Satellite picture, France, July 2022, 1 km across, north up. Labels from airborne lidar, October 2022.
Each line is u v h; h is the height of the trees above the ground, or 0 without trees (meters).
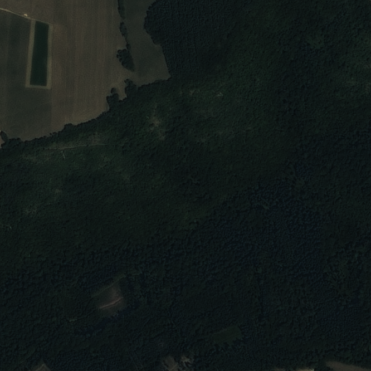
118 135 11
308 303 28
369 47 6
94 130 13
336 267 27
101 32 0
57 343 32
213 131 6
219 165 17
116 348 22
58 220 17
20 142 9
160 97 11
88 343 30
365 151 35
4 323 30
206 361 22
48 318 26
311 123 25
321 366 19
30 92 0
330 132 24
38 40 0
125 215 14
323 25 10
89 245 24
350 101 8
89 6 0
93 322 9
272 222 22
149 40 0
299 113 25
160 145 10
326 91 9
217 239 24
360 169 27
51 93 0
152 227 24
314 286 28
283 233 23
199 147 11
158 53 0
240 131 8
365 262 28
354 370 0
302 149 22
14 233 15
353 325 28
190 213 16
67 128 13
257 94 8
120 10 9
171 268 24
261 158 15
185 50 17
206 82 13
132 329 17
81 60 0
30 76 0
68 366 23
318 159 25
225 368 15
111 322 25
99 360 13
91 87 0
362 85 9
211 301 18
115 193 12
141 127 7
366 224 19
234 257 29
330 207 27
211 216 23
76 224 18
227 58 11
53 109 0
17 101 0
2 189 16
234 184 22
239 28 15
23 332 29
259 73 17
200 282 31
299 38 16
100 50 0
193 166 19
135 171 6
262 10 16
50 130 0
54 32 0
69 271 23
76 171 8
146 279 29
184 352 22
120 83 0
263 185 21
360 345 25
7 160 6
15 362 24
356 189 22
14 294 35
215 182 20
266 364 17
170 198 19
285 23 6
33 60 0
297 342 36
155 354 22
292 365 21
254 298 17
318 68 20
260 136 14
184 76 13
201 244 19
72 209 14
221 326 23
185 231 25
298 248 22
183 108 10
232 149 13
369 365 21
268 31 9
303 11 14
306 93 22
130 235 18
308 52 18
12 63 0
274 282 24
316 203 27
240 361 15
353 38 14
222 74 18
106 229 22
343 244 10
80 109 0
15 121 0
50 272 14
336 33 13
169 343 18
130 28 0
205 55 11
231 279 28
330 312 18
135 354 24
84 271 17
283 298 28
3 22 0
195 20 17
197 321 29
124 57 14
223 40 12
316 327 32
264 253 23
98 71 0
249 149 15
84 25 0
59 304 20
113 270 19
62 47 0
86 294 8
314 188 24
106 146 6
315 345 29
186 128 7
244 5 18
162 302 24
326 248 31
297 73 21
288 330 33
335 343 23
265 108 16
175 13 19
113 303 0
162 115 6
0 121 0
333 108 16
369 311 23
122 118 22
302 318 31
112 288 0
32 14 0
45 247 20
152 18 14
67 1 0
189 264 33
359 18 9
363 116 25
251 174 21
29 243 14
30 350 25
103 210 17
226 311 23
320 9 10
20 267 14
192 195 27
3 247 19
